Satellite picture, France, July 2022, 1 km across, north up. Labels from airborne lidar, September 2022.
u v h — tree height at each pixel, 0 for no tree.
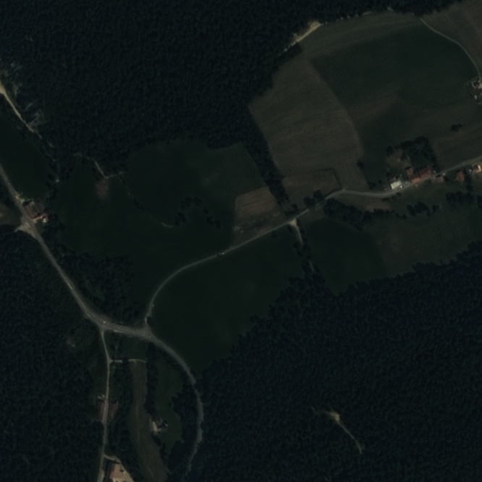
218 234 0
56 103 19
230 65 22
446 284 35
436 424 16
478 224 0
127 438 20
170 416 0
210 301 0
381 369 14
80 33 26
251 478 24
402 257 0
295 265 0
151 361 22
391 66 0
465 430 29
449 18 0
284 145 0
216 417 15
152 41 20
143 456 0
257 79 21
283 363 26
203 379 0
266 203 0
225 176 0
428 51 0
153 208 0
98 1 24
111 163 18
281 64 6
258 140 24
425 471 28
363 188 0
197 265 0
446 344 18
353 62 0
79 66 21
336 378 19
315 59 0
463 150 0
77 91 23
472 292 32
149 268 0
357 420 18
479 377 15
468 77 0
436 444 19
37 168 0
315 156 0
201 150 0
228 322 0
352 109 0
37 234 0
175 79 27
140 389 0
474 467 23
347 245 0
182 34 30
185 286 0
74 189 0
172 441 0
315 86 0
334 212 23
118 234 0
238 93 26
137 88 25
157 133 31
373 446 18
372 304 19
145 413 0
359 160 0
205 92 27
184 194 0
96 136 25
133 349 0
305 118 0
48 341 20
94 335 10
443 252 0
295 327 29
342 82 0
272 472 21
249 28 25
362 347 26
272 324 9
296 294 7
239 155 0
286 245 0
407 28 0
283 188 6
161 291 0
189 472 0
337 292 0
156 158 0
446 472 20
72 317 8
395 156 0
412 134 0
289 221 0
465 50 0
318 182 0
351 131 0
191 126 26
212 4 28
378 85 0
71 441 13
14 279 16
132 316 13
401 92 0
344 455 22
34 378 26
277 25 7
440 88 0
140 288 0
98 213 0
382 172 0
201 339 0
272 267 0
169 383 0
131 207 0
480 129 0
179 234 0
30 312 15
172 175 0
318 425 41
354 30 0
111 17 23
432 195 0
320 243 0
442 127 0
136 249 0
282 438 23
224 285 0
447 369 15
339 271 0
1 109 19
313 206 17
